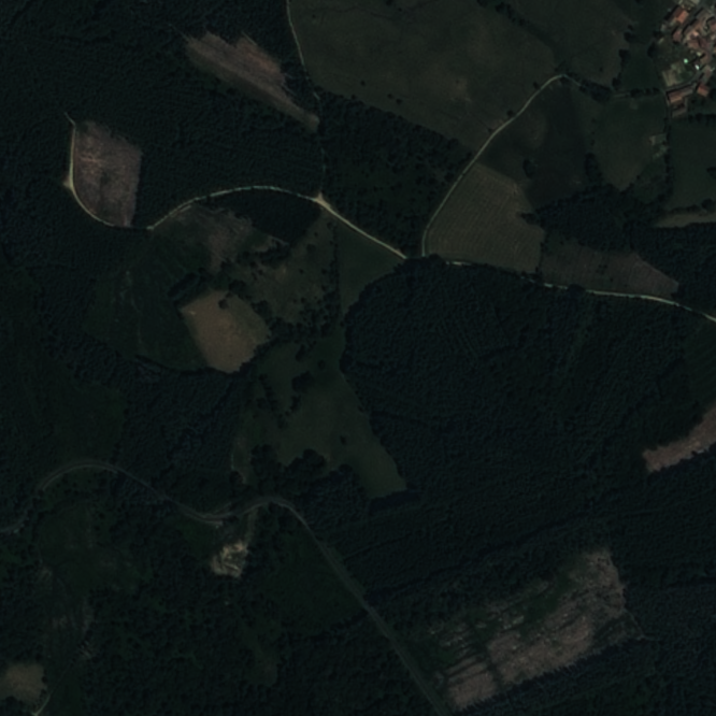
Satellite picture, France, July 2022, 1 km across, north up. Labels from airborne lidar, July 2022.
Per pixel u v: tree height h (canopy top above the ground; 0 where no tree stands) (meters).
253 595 21
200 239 0
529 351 21
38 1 22
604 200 12
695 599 25
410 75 0
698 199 0
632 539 24
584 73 0
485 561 23
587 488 18
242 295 6
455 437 31
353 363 27
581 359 7
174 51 19
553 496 11
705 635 29
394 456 22
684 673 21
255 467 15
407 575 12
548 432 18
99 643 22
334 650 21
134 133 18
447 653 0
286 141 22
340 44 0
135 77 21
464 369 18
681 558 23
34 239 30
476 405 20
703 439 0
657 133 0
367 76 0
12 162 29
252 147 19
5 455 20
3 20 19
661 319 10
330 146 19
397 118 12
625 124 0
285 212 15
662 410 21
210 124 16
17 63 17
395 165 7
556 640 0
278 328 17
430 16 0
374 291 19
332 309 16
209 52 0
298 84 21
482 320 11
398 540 9
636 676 7
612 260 0
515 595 23
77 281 19
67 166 20
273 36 12
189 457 24
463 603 21
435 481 25
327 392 0
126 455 8
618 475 16
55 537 0
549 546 16
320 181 16
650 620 24
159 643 19
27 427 8
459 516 8
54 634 0
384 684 15
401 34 0
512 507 14
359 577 12
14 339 6
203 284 18
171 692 10
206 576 16
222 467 26
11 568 9
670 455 0
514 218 0
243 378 24
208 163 17
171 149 16
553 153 0
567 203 15
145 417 14
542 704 22
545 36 0
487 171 0
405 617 18
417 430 29
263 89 0
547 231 9
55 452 7
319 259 0
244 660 18
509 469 21
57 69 16
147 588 16
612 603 6
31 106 17
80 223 18
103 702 26
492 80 0
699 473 28
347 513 29
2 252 6
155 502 16
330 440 0
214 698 20
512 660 0
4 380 9
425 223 10
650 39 0
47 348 9
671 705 22
